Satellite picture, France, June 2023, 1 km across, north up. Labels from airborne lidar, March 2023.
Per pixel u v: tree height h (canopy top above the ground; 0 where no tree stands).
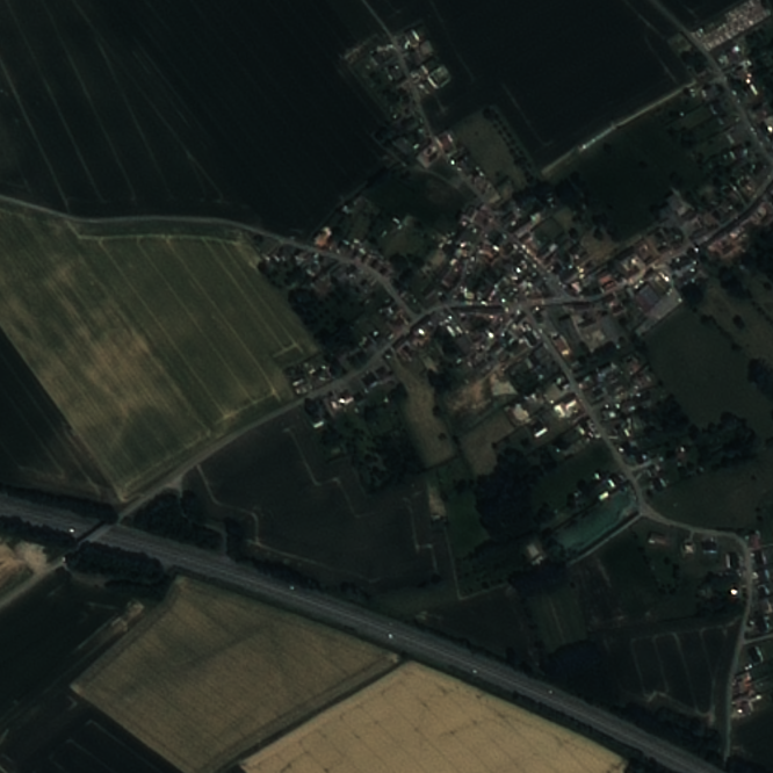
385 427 0
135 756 0
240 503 0
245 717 0
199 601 0
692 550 0
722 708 0
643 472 0
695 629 0
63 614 0
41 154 0
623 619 0
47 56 0
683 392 0
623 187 0
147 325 0
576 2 0
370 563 0
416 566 0
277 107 0
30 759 0
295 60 0
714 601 8
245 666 0
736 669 0
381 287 0
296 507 0
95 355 0
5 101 0
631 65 0
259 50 0
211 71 0
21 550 0
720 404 0
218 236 0
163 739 0
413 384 0
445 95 0
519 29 0
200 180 0
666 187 0
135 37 0
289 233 0
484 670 0
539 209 7
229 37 0
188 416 0
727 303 0
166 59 0
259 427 0
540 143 0
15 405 0
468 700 0
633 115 0
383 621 0
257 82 0
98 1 0
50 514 0
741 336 0
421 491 0
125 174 0
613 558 0
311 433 0
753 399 0
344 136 0
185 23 0
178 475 0
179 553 0
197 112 0
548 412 0
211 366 0
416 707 0
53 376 0
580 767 0
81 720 0
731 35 0
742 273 0
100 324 0
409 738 0
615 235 21
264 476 0
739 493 0
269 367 0
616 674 0
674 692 0
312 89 0
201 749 0
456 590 0
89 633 0
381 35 0
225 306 0
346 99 0
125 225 0
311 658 0
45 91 0
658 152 0
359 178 0
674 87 0
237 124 0
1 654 0
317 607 0
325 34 0
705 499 0
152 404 0
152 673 0
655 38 0
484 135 0
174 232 0
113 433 0
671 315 0
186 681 0
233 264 0
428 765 0
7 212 0
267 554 0
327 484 0
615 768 0
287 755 0
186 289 0
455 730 0
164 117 0
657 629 0
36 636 0
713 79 0
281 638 0
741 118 0
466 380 0
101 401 0
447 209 0
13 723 0
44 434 0
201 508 17
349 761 0
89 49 0
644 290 0
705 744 13
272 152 0
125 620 0
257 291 0
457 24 0
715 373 0
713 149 0
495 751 0
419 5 0
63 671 0
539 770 0
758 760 0
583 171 0
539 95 0
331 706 0
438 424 0
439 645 0
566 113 0
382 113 0
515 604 0
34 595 0
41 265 0
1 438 0
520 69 0
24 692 0
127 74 0
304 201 0
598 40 0
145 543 0
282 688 0
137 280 0
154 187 0
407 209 0
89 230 0
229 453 0
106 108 0
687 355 0
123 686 0
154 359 0
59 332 0
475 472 0
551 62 0
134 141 0
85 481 0
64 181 0
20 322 0
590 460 0
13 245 0
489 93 0
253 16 0
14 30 0
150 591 9
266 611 0
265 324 0
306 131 0
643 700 0
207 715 0
